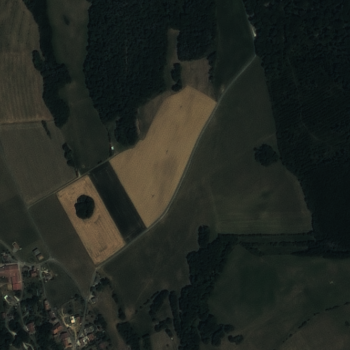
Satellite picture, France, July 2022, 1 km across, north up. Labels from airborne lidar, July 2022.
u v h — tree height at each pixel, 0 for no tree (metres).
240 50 0
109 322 0
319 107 6
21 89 0
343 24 22
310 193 14
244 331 0
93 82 21
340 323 0
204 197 0
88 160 0
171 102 0
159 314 0
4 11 0
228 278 0
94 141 0
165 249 0
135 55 8
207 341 16
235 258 0
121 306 0
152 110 0
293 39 25
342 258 12
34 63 12
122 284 0
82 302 6
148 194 0
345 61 21
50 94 18
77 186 0
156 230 0
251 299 0
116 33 12
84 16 0
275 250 0
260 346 0
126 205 0
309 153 6
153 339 0
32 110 0
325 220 16
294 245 12
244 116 0
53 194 0
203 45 21
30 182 0
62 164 0
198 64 0
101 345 0
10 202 0
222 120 0
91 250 0
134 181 0
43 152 0
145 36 13
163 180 0
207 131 0
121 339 0
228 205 0
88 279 0
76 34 0
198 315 15
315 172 12
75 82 0
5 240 0
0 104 0
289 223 0
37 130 0
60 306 0
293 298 0
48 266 0
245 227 0
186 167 0
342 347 0
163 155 0
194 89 0
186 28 19
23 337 20
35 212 0
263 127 0
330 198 12
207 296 20
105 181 0
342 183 14
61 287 0
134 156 0
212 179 0
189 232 0
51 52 20
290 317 0
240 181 0
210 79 12
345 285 0
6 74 0
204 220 0
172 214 0
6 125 0
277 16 26
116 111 20
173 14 22
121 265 0
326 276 0
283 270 0
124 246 0
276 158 19
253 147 0
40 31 6
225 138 0
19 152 0
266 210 0
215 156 0
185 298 20
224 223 0
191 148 0
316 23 28
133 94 20
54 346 7
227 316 0
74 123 0
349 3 27
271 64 19
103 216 0
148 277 0
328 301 0
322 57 14
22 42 0
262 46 22
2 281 0
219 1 0
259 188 0
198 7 23
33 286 7
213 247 18
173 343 0
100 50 19
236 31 0
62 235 0
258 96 0
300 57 10
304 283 0
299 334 0
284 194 0
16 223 0
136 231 0
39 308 6
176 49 0
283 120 7
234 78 0
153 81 21
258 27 25
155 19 21
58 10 0
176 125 0
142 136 0
